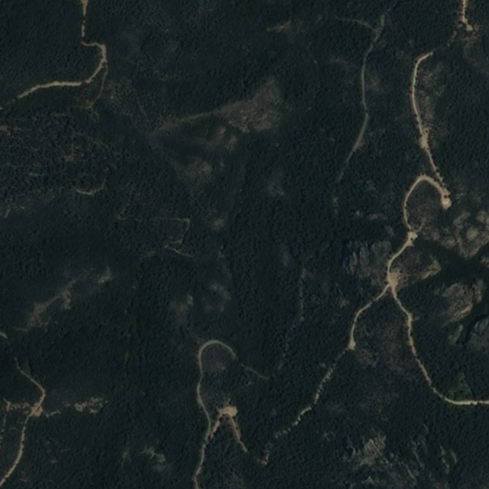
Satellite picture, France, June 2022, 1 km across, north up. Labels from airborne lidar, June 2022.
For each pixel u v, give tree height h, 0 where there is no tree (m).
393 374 12
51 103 12
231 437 14
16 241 11
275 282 7
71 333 17
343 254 7
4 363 14
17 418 10
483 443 17
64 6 10
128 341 20
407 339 8
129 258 12
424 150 6
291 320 17
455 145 16
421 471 12
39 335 11
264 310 7
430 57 7
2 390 12
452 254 10
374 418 11
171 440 7
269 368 15
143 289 8
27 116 16
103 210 13
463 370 9
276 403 9
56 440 8
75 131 7
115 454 7
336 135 9
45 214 6
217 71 19
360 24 9
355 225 11
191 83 7
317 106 7
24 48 10
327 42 19
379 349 9
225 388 10
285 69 12
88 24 7
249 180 12
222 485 5
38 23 8
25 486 11
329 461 11
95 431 11
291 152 9
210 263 6
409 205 8
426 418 20
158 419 8
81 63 11
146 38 6
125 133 6
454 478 17
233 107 0
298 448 12
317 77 6
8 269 9
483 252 8
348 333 10
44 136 16
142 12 16
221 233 8
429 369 13
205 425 6
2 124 21
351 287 9
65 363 15
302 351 7
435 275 7
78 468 12
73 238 13
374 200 12
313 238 11
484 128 7
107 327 15
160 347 7
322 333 15
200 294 5
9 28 13
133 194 11
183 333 8
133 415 20
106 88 6
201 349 0
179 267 13
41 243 11
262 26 9
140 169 16
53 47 11
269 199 17
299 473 14
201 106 7
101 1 13
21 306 6
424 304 11
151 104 8
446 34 15
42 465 13
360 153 13
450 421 18
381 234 16
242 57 9
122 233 10
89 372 11
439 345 18
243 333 8
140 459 10
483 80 7
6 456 12
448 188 11
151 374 13
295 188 18
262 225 18
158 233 10
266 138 7
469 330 19
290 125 6
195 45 10
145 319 18
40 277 8
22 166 15
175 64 10
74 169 11
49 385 10
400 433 17
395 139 9
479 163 6
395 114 6
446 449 9
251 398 14
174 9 7
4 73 11
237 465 12
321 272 13
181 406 6
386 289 0
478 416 19
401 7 16
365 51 14
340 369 12
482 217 0
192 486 16
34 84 8
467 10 9
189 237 15
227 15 11
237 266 18
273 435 10
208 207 14
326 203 17
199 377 12
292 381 6
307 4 11
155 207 17
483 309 20
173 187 17
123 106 8
